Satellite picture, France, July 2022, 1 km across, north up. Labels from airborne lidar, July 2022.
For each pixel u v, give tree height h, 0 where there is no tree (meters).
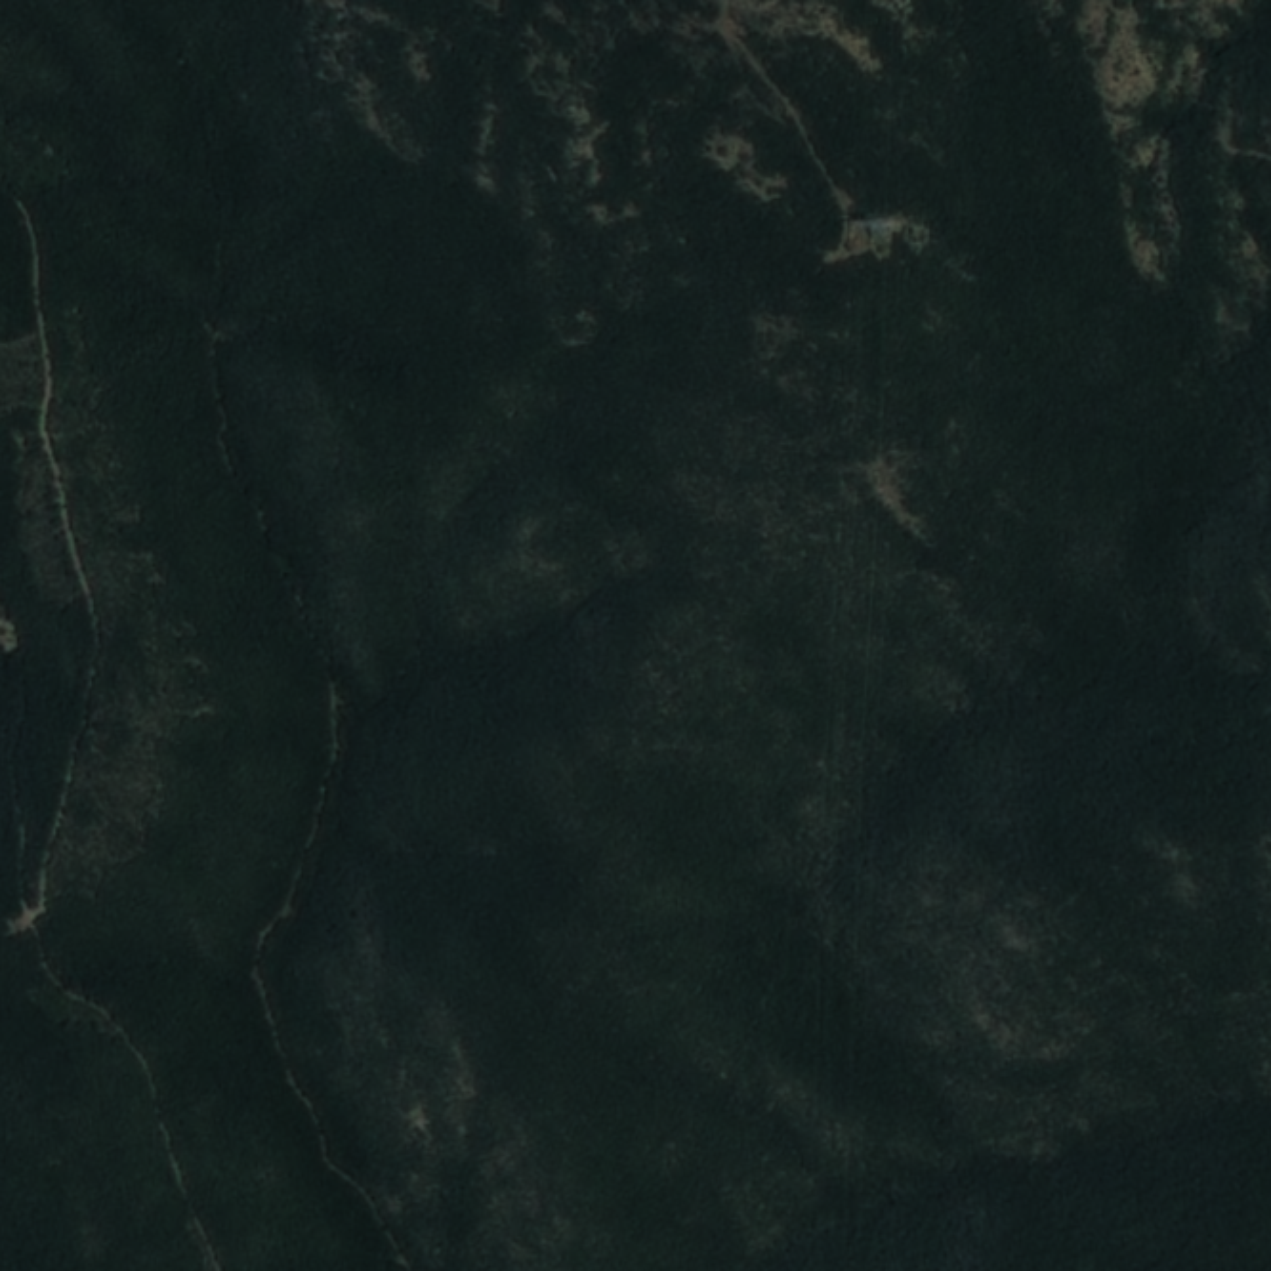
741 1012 10
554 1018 8
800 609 6
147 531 8
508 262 6
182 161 8
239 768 8
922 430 10
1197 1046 9
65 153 11
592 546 6
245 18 8
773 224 9
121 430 6
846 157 9
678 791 7
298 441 6
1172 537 6
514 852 7
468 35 7
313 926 7
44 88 9
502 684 7
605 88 6
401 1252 7
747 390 5
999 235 11
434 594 6
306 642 9
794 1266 7
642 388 6
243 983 6
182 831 7
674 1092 7
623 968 6
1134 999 7
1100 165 8
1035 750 8
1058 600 10
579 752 6
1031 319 12
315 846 7
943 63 6
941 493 9
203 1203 6
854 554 6
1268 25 7
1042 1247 7
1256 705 10
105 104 9
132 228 7
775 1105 6
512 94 8
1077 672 9
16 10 11
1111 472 11
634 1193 9
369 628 7
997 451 10
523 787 6
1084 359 8
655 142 7
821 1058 12
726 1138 8
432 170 6
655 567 6
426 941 6
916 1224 7
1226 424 8
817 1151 7
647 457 6
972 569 9
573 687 6
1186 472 9
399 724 8
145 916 8
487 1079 6
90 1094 7
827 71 7
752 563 5
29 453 8
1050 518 7
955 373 10
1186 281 6
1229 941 7
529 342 7
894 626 9
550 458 7
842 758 6
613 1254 6
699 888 7
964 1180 8
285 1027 6
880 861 6
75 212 10
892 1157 7
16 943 8
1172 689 10
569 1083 6
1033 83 8
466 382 7
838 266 8
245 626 9
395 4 6
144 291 7
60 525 7
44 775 9
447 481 5
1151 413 10
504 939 6
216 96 7
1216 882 6
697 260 9
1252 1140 10
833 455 7
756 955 14
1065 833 9
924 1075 7
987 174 11
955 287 10
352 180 8
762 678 6
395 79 6
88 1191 7
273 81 7
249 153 6
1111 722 10
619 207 6
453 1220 6
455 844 8
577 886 6
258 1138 9
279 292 8
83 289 11
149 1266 6
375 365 7
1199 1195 7
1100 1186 7
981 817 6
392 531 8
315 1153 8
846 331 7
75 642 7
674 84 6
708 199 7
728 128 6
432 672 7
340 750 6
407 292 6
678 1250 8
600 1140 5
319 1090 6
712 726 5
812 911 6
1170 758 7
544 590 6
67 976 10
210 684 6
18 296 8
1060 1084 6
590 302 6
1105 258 7
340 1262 7
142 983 8
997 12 10
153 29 7
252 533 7
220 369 7
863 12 12
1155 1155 10
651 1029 7
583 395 6
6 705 7
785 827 9
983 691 8
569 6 6
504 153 6
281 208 8
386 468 7
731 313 8
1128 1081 7
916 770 9
